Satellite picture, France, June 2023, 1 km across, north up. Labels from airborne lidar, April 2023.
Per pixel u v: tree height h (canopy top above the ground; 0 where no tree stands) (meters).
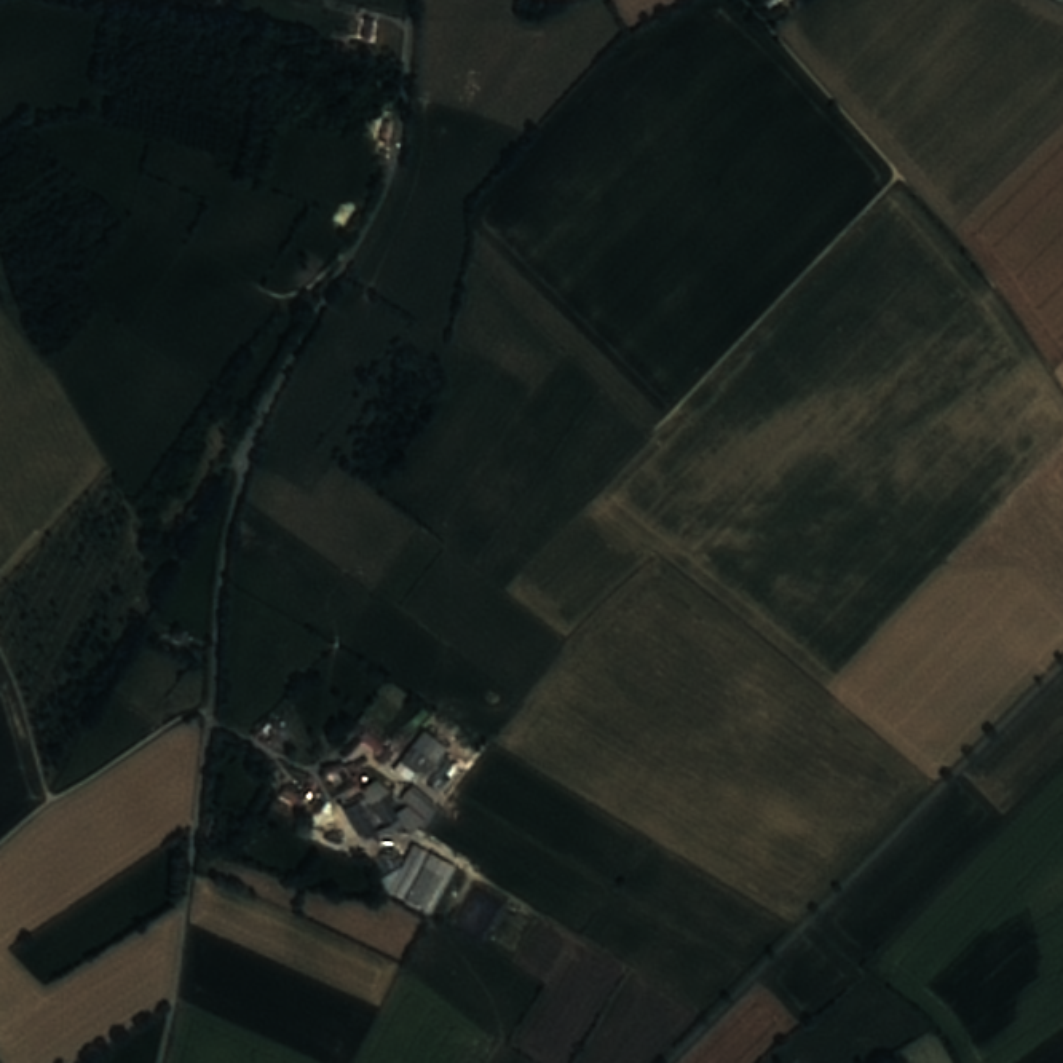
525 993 0
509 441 0
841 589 0
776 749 0
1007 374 0
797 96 0
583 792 0
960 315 0
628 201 0
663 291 0
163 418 0
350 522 0
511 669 0
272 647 0
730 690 0
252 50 24
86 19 0
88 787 0
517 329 0
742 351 0
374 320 0
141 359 0
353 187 0
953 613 0
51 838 0
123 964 0
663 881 0
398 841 0
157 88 18
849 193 0
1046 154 0
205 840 14
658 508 0
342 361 0
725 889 0
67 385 0
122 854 0
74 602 0
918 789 0
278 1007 0
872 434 0
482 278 0
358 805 0
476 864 0
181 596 0
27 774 0
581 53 0
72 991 0
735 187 0
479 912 0
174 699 0
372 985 0
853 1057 0
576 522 0
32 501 0
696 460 0
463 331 0
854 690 0
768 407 0
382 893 8
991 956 0
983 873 0
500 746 0
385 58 7
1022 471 0
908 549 0
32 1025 0
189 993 0
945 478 0
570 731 0
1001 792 0
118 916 0
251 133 22
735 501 0
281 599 0
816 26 0
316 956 0
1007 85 0
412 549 0
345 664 0
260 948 0
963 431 0
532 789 0
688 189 0
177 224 0
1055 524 0
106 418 0
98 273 0
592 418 0
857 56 0
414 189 0
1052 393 0
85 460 0
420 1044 0
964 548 0
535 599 0
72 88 0
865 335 0
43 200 9
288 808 0
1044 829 0
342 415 0
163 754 0
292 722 0
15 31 0
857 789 0
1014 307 0
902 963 0
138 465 0
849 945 0
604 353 0
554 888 0
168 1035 0
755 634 0
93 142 0
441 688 0
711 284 0
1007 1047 0
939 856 0
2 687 0
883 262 0
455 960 0
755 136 0
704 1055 0
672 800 0
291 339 11
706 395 0
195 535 24
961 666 0
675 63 0
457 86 0
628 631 0
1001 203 0
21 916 0
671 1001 0
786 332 0
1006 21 0
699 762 0
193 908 0
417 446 0
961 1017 0
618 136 0
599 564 0
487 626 0
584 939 0
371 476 14
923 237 0
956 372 0
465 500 0
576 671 0
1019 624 0
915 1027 0
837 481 0
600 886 0
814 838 0
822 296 0
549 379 0
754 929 0
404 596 0
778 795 0
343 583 0
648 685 0
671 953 0
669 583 0
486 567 0
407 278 0
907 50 0
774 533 0
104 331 0
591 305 0
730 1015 0
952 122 0
